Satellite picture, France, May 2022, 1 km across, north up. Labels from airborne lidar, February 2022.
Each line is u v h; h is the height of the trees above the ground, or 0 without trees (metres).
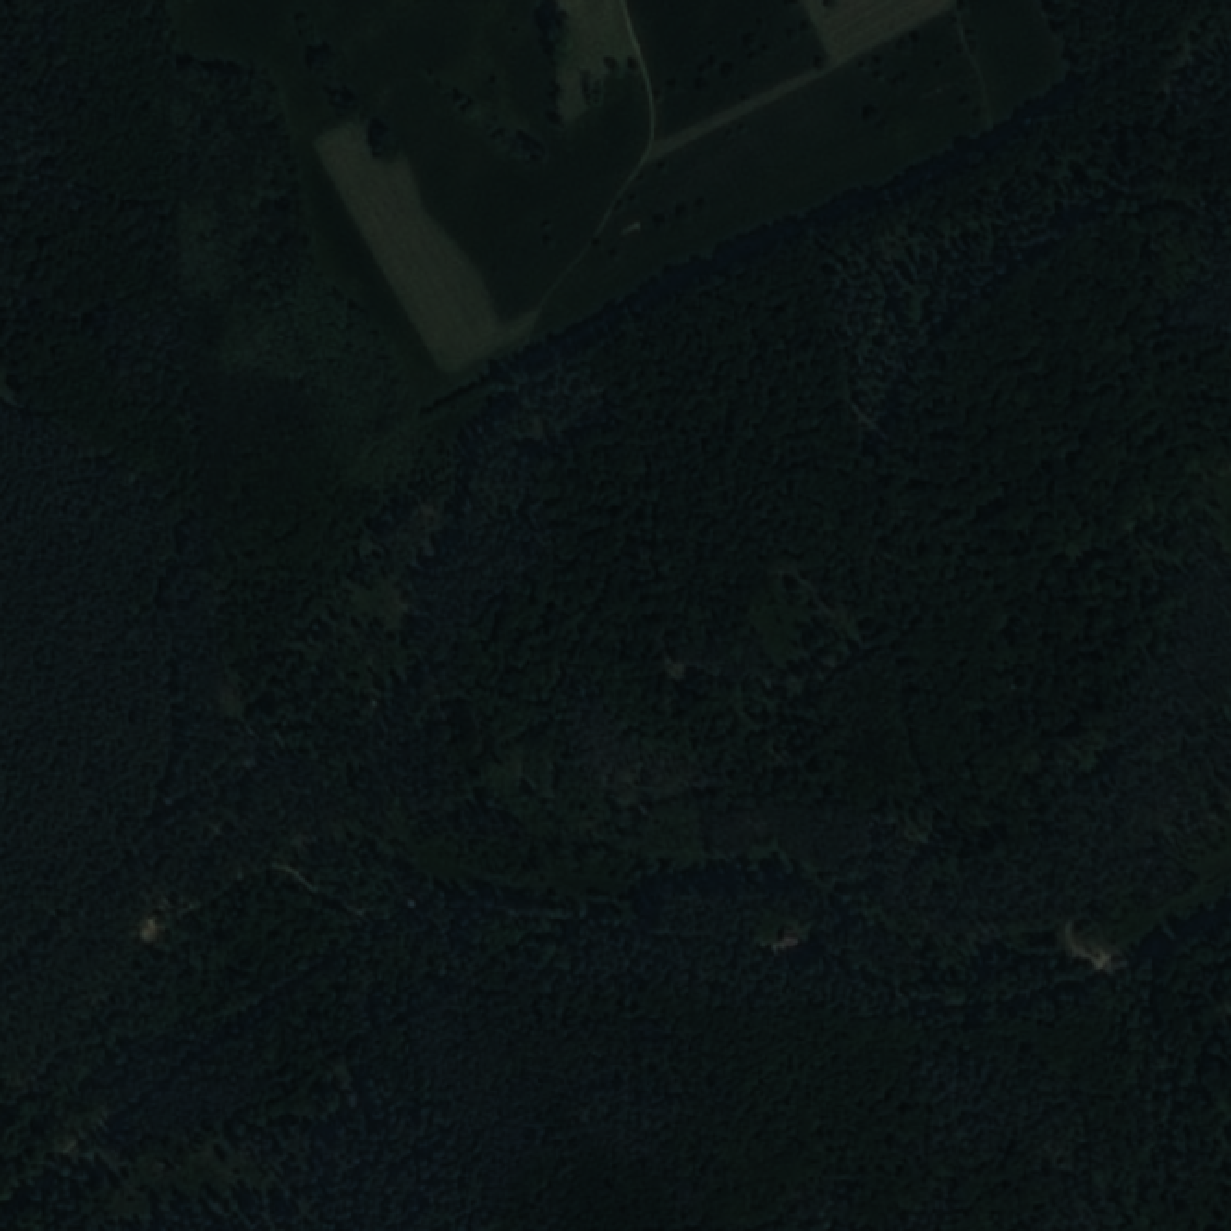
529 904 23
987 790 31
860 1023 30
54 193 26
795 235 25
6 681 28
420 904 32
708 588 25
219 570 22
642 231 0
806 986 32
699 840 14
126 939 33
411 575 28
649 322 29
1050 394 29
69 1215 33
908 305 30
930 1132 30
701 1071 22
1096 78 23
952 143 0
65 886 28
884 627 25
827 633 24
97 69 20
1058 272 30
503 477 33
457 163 0
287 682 29
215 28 0
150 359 23
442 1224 29
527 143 20
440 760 29
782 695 25
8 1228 38
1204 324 28
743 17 0
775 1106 27
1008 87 0
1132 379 27
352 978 21
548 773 8
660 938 28
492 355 0
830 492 26
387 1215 29
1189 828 31
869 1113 26
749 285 31
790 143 0
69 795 29
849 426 29
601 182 0
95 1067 27
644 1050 25
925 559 29
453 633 28
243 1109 23
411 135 0
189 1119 26
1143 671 27
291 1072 21
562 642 28
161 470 22
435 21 0
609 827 13
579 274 0
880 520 31
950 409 31
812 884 16
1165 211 24
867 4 0
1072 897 29
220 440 22
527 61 0
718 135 0
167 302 25
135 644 26
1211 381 29
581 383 31
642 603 28
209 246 23
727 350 25
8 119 26
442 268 0
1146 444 26
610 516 31
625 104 0
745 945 24
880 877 27
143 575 22
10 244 25
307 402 23
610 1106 30
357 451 20
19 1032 33
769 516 22
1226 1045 32
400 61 0
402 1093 20
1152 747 25
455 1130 24
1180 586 29
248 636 5
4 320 22
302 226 15
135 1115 28
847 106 0
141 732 30
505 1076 22
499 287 0
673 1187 28
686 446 27
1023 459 25
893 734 12
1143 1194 24
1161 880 30
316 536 8
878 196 9
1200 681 24
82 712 26
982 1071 29
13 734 25
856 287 30
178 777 30
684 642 21
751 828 20
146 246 24
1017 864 29
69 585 30
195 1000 23
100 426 25
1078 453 28
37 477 29
